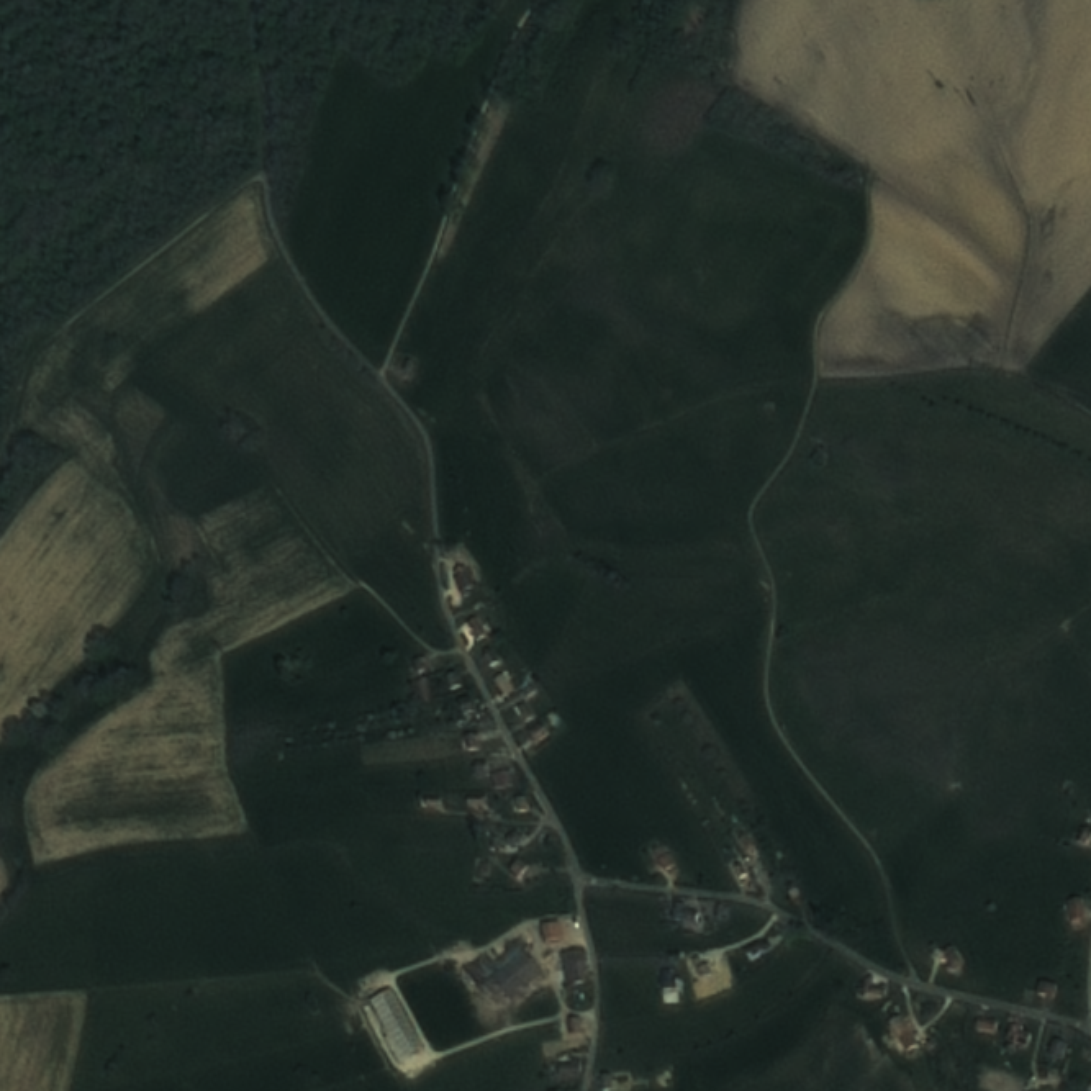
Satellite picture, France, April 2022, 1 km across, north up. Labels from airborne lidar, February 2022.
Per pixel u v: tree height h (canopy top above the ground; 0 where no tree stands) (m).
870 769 0
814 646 0
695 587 0
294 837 0
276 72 16
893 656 0
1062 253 0
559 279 0
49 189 30
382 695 0
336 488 0
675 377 0
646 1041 0
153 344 0
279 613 0
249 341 0
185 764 0
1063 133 0
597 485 0
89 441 0
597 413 0
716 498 0
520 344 0
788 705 0
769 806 0
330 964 0
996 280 0
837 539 0
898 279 0
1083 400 0
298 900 0
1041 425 0
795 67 0
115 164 28
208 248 0
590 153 0
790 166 0
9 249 30
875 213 0
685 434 0
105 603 0
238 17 27
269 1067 0
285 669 13
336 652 0
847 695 0
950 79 0
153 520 0
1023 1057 0
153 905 0
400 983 0
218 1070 0
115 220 24
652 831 0
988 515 0
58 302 21
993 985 0
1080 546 0
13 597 0
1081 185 0
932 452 0
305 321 0
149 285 0
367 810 0
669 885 0
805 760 0
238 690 0
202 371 0
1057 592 0
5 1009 0
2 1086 0
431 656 0
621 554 0
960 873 0
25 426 0
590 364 0
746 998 0
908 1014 0
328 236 0
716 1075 0
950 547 0
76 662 0
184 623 0
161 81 26
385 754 0
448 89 0
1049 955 0
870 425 0
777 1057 0
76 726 0
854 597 0
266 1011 0
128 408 0
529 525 0
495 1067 0
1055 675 0
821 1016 0
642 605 0
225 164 18
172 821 0
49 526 0
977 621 0
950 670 0
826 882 0
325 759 0
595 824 0
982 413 5
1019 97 0
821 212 0
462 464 0
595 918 0
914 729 0
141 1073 0
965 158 0
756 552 0
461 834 0
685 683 0
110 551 0
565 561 0
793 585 0
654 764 0
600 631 0
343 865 0
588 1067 0
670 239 0
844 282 0
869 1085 0
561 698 0
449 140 0
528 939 0
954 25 0
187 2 26
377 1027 0
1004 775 0
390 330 0
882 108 0
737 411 0
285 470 0
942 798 0
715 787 0
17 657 0
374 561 0
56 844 0
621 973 0
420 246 0
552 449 0
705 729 0
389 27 30
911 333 0
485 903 0
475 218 0
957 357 0
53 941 0
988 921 0
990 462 0
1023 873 0
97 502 0
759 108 7
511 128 0
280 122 23
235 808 0
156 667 0
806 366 0
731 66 0
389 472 0
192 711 0
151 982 0
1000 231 0
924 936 0
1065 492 0
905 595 0
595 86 0
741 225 0
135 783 0
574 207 0
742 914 0
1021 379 0
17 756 0
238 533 0
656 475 0
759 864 0
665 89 0
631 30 24
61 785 0
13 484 16
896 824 0
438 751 0
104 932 0
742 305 0
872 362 0
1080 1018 0
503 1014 0
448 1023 0
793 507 0
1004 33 0
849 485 0
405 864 0
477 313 0
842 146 0
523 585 0
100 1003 0
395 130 0
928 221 0
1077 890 0
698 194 0
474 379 0
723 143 0
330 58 27
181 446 0
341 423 0
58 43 25
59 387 0
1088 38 0
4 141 30
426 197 0
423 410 0
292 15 27
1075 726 0
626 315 0
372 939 0
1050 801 0
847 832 0
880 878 0
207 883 0
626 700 0
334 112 0
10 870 0
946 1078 0
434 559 0
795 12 0
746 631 0
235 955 0
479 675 0
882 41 0
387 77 23
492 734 0
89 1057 0
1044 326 0
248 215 0
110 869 0
